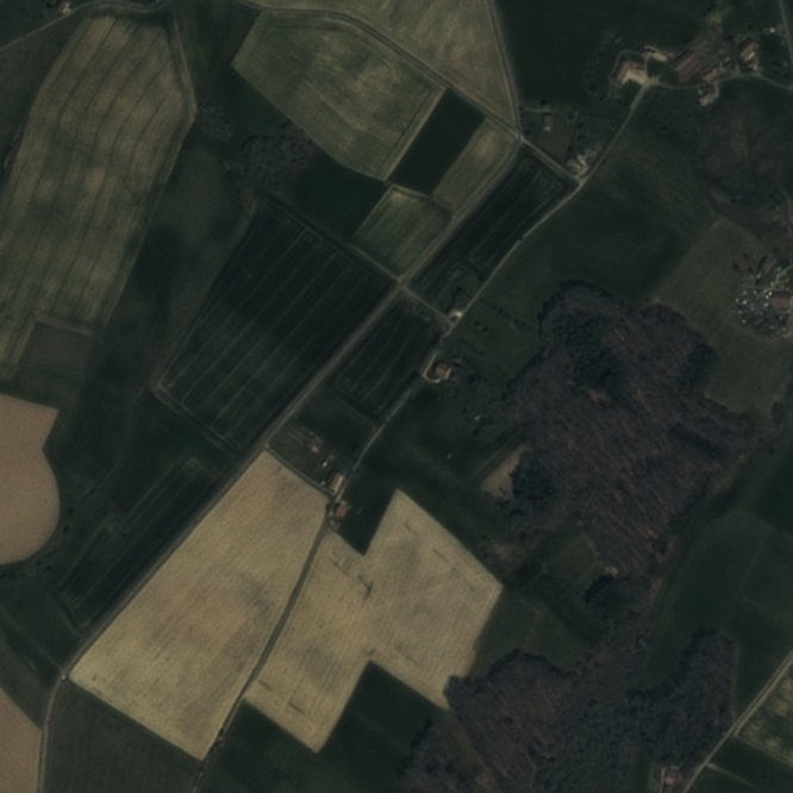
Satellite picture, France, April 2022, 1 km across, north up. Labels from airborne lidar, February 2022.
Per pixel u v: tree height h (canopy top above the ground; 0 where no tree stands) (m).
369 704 0
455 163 0
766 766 0
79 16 0
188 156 0
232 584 0
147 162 0
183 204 0
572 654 0
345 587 0
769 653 0
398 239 0
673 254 0
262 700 0
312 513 0
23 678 0
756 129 0
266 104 0
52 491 0
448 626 0
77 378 0
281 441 0
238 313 0
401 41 0
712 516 0
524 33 0
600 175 0
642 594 22
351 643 0
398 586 0
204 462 0
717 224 0
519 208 0
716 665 33
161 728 0
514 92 0
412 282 0
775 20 0
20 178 0
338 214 0
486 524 0
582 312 29
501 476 0
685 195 0
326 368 0
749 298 0
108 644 0
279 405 0
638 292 0
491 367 0
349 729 0
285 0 0
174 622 0
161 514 0
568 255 0
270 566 0
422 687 0
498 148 0
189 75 0
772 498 0
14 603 0
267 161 5
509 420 23
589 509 33
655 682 0
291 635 0
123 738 0
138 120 0
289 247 0
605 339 23
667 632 0
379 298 0
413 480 0
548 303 0
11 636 0
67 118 0
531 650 0
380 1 0
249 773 0
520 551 0
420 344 0
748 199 0
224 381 0
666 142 0
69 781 0
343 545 0
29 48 0
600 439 34
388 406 0
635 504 37
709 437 30
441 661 0
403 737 0
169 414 0
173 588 0
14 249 0
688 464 30
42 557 0
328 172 0
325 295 0
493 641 0
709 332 0
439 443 0
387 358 0
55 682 0
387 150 0
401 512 0
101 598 0
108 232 0
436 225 0
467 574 0
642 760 0
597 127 0
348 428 0
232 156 0
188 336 0
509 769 29
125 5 0
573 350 28
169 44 0
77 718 0
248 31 0
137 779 0
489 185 0
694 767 20
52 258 0
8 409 0
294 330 0
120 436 0
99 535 0
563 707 18
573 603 0
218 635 0
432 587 0
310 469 0
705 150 0
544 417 28
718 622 0
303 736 0
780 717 0
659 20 0
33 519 0
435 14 0
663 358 26
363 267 0
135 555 0
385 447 0
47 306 0
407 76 0
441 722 0
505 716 35
